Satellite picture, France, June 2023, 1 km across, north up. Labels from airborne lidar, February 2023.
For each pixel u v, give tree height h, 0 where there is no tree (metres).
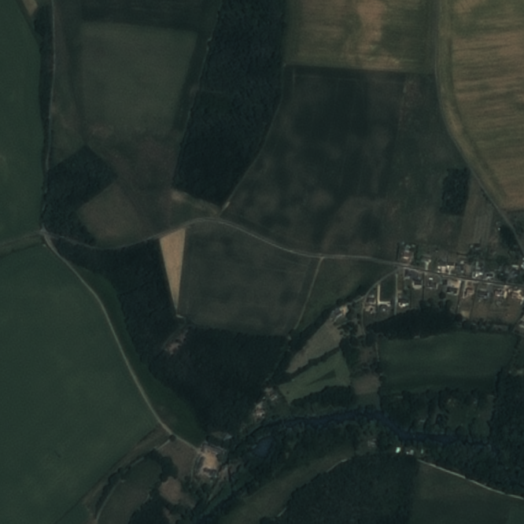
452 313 9
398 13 0
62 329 0
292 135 0
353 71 0
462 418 0
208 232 0
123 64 0
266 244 0
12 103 0
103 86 0
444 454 15
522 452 29
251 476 21
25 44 0
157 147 0
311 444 17
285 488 0
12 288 0
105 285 0
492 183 0
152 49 0
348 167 0
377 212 0
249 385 10
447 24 0
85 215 0
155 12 0
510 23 0
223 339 8
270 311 0
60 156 0
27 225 0
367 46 0
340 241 0
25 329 0
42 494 0
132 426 0
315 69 0
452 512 0
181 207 0
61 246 9
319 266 0
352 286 0
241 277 0
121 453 0
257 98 21
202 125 20
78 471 0
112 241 0
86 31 0
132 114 0
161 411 0
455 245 0
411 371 0
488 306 0
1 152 0
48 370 0
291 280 0
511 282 6
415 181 0
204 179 11
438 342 0
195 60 0
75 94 0
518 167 0
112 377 0
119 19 0
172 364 11
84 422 0
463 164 0
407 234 0
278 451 14
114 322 0
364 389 0
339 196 0
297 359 0
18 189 0
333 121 0
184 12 0
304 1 0
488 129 0
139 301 14
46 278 0
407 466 6
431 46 0
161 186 0
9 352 0
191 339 13
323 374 0
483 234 0
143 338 9
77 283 0
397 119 0
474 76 0
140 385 0
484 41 0
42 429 0
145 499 0
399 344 0
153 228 0
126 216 0
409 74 0
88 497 0
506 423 10
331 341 0
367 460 11
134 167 0
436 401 17
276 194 0
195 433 0
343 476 7
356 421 12
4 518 0
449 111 0
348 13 0
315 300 0
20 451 0
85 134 0
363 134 0
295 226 0
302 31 0
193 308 0
